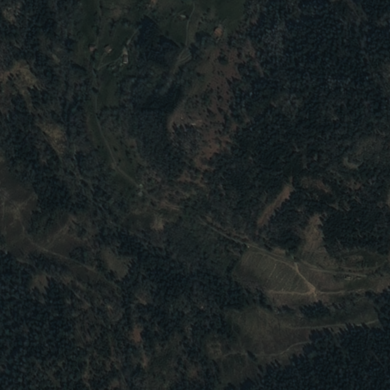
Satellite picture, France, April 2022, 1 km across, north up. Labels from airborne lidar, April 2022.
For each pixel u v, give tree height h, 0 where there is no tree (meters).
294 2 26
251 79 13
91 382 13
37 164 21
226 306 19
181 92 14
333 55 15
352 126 21
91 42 0
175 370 8
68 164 29
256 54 7
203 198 20
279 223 28
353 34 11
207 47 19
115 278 22
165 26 0
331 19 21
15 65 25
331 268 0
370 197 25
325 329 0
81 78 17
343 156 17
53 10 6
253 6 20
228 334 11
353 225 11
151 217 0
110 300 12
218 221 18
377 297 27
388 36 23
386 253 27
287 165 18
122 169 0
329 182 11
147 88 23
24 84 0
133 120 16
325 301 0
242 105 20
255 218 26
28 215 0
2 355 19
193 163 15
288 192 0
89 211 27
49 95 25
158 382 7
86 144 27
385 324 30
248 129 8
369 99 20
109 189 21
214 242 7
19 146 23
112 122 13
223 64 13
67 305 20
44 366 10
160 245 32
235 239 14
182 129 14
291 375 25
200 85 0
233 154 11
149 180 6
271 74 10
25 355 31
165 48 19
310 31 30
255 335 0
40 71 27
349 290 0
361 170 18
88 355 21
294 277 0
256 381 0
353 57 7
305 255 0
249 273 0
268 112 15
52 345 28
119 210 24
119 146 0
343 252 26
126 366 32
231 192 29
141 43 13
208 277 29
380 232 32
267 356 0
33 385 30
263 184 18
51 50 20
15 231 0
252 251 0
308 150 6
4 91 0
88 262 31
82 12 6
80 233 19
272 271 0
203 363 19
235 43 10
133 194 19
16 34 25
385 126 15
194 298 18
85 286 24
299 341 0
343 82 26
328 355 21
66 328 23
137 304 6
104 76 0
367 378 29
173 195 15
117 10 0
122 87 14
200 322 18
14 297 20
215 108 0
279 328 0
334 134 21
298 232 31
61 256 0
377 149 19
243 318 0
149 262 31
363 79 18
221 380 24
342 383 28
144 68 19
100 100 0
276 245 20
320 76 14
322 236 0
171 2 0
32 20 23
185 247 18
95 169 20
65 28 15
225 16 0
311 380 22
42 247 0
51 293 20
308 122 19
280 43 24
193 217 14
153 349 21
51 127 0
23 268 23
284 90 19
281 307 0
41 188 27
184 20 0
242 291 27
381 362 6
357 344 26
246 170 28
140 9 10
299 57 27
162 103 12
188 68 7
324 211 23
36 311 28
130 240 25
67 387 36
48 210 26
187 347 17
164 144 20
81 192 22
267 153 22
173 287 18
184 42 0
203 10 0
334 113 20
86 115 21
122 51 0
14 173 17
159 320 31
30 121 31
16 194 0
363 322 0
